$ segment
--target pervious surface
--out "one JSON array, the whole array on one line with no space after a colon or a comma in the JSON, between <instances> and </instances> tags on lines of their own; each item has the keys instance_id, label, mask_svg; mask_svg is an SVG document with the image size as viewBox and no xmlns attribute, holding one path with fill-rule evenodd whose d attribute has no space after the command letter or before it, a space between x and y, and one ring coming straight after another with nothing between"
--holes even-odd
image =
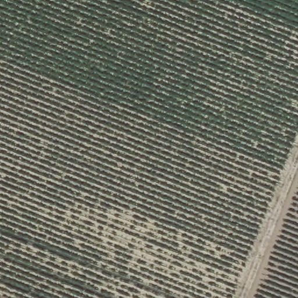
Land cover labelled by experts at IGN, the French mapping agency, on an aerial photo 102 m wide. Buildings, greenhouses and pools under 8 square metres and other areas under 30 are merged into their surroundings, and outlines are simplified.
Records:
<instances>
[{"instance_id":1,"label":"pervious surface","mask_svg":"<svg viewBox=\"0 0 298 298\"><path fill-rule=\"evenodd\" d=\"M253 248L249 251L246 267L242 271L237 271L239 276L225 272L227 277L223 279L236 285L233 298L254 298L263 279L268 279L269 258L274 251L275 242L281 235L289 208L298 210L298 134L281 170L279 183L268 204Z\"/></svg>"}]
</instances>

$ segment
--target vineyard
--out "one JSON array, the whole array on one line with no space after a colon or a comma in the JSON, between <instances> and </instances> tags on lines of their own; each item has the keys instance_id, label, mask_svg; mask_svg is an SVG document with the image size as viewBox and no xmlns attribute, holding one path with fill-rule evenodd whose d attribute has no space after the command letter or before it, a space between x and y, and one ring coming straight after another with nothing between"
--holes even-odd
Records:
<instances>
[{"instance_id":1,"label":"vineyard","mask_svg":"<svg viewBox=\"0 0 298 298\"><path fill-rule=\"evenodd\" d=\"M249 251L253 248L268 204L279 183L281 170L298 134L298 0L0 0L0 298L233 298L236 285L223 279L227 277L225 272L239 276L237 271L242 271L246 267Z\"/></svg>"},{"instance_id":2,"label":"vineyard","mask_svg":"<svg viewBox=\"0 0 298 298\"><path fill-rule=\"evenodd\" d=\"M269 258L268 279L263 279L254 298L298 298L298 210L289 208L281 235L275 242L274 251Z\"/></svg>"}]
</instances>

